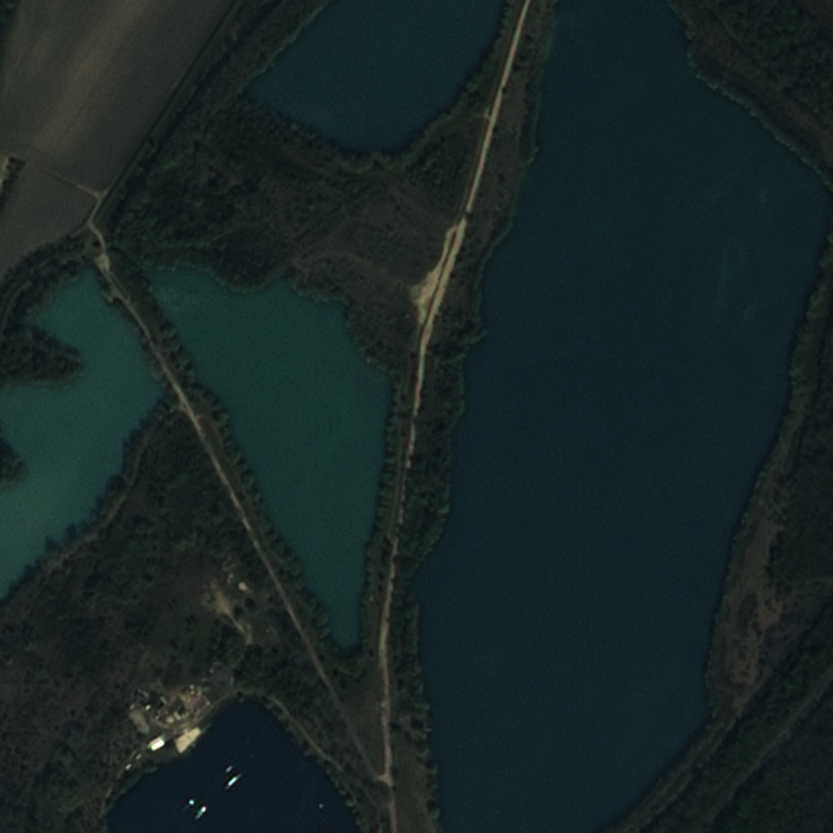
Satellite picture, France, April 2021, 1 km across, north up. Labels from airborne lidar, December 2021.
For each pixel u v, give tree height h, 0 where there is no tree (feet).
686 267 0
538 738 0
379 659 0
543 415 0
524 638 0
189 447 24
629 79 0
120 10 0
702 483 0
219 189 47
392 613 31
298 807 0
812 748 67
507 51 0
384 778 0
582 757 0
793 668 53
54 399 0
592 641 0
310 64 0
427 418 24
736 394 0
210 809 0
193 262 52
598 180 0
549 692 0
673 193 0
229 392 0
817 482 57
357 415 0
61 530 0
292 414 0
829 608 32
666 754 0
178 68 0
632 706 0
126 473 53
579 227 0
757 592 0
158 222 56
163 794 0
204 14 0
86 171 0
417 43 0
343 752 42
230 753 0
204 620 0
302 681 45
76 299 0
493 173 0
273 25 94
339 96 0
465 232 0
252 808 0
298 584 51
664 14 0
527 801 0
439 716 0
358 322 29
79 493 0
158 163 46
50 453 0
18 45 0
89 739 27
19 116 0
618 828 51
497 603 0
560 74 0
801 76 50
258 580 40
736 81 27
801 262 0
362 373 0
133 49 0
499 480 0
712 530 0
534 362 0
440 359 47
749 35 55
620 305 0
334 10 0
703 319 0
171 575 0
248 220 39
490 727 0
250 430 0
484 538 0
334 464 0
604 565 0
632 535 0
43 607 21
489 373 0
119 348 0
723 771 56
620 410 0
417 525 41
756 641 0
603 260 0
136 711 0
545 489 0
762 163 0
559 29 0
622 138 0
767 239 0
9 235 0
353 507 0
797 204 0
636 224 0
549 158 0
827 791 73
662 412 0
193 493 22
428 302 0
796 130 22
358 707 0
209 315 0
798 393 47
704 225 0
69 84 0
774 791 77
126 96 0
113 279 0
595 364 0
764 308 0
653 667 0
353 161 46
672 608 0
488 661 0
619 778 0
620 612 0
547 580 0
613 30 0
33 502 0
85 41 0
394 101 0
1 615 31
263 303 0
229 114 31
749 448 0
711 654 30
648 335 0
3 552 0
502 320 0
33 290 27
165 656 0
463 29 0
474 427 0
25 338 87
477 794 0
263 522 49
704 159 0
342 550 0
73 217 0
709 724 48
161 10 0
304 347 0
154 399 0
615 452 0
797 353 55
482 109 40
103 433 0
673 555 0
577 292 0
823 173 47
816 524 44
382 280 0
